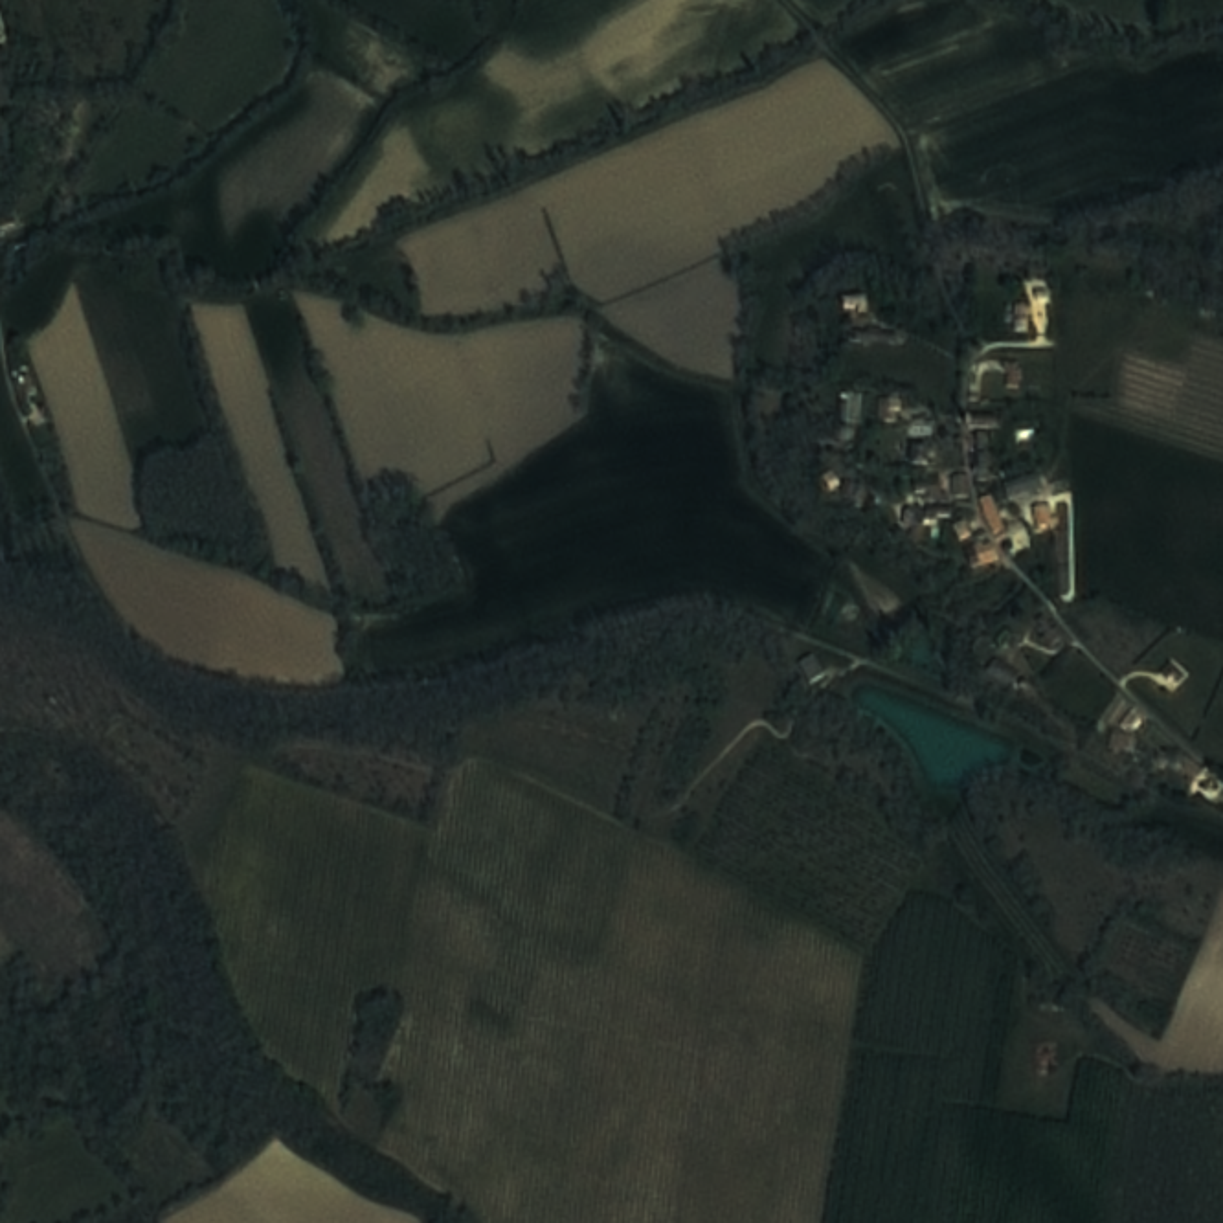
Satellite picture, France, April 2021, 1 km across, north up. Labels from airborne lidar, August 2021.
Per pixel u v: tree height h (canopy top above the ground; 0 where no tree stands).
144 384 0
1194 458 0
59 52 7
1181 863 11
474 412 0
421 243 0
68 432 0
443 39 0
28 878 0
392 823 0
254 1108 23
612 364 0
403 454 0
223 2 0
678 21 0
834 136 0
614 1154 0
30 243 11
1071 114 0
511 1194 0
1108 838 8
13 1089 14
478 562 0
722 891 0
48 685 14
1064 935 0
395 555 18
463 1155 0
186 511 25
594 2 0
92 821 20
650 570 0
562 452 0
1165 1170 7
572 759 0
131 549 0
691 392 0
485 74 0
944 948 7
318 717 10
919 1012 5
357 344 0
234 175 0
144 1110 17
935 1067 8
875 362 0
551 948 0
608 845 0
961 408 13
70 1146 0
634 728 0
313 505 9
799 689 14
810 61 15
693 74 0
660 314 0
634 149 0
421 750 11
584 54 0
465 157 0
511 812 0
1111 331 0
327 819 0
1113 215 21
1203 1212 7
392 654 0
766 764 5
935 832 19
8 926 0
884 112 0
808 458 13
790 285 0
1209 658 0
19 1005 9
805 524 20
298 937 0
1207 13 0
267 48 0
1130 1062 11
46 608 19
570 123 0
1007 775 14
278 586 13
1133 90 0
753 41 0
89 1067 10
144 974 20
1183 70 0
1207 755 0
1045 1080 0
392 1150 0
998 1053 5
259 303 0
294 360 0
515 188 31
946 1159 6
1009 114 0
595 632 22
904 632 17
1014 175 0
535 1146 0
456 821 0
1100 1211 7
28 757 14
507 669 19
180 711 21
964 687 17
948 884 0
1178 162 0
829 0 0
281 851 0
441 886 0
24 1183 0
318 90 0
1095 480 0
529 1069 0
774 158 0
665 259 0
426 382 0
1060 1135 6
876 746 13
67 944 0
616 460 0
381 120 6
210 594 0
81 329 0
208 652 0
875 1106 6
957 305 7
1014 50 0
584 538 0
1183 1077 9
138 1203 14
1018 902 7
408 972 0
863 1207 7
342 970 0
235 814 0
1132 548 0
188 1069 17
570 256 0
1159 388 0
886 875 6
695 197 0
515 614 0
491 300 0
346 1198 0
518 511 0
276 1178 0
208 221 0
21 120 10
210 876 0
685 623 13
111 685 14
